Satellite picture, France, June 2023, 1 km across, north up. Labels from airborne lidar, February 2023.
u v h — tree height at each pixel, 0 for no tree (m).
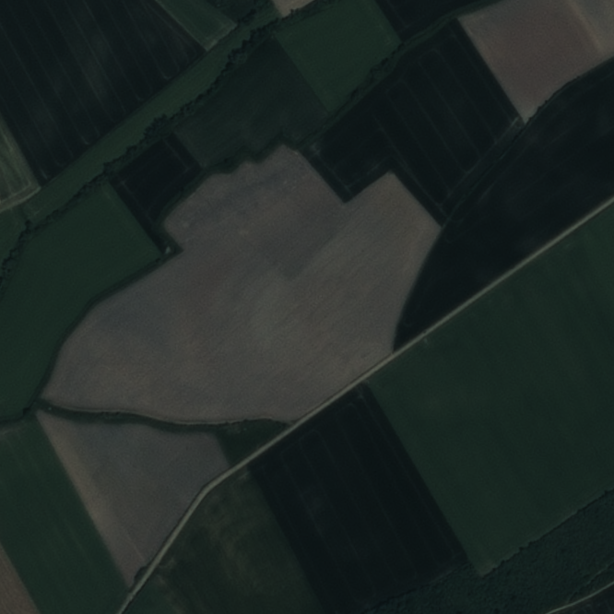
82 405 0
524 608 8
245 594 0
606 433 0
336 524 0
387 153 0
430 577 0
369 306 0
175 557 0
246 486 0
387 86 0
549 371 0
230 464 0
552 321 0
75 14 0
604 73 0
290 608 0
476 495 0
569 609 0
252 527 0
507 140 0
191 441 0
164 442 0
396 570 0
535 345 0
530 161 0
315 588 0
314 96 0
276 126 0
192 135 0
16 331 0
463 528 0
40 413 0
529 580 5
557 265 0
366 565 0
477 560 0
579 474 0
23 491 0
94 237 0
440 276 0
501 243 0
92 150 0
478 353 0
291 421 0
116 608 0
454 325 0
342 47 0
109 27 0
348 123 0
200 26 0
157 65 0
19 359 0
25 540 0
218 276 0
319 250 0
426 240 0
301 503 0
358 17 0
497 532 0
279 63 0
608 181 0
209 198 0
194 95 0
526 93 0
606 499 7
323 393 0
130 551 0
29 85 0
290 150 0
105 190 0
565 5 0
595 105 0
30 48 0
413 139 0
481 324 0
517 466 0
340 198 0
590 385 0
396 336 0
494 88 0
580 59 0
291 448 0
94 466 0
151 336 0
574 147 0
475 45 0
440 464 0
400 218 0
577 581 6
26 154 0
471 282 0
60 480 0
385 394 0
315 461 0
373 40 0
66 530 0
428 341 0
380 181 0
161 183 0
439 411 0
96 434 0
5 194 0
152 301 0
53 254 0
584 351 0
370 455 0
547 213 0
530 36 0
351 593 0
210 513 0
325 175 0
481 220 0
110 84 0
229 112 0
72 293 0
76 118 0
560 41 0
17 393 0
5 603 0
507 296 0
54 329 0
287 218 0
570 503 0
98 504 0
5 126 0
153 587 0
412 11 0
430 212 0
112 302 0
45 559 0
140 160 0
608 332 0
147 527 0
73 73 0
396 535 0
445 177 0
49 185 0
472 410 0
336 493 0
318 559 0
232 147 0
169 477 0
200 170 0
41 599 0
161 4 0
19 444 0
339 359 0
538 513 0
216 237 0
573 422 0
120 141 0
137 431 0
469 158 0
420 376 0
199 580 0
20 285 0
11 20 0
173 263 0
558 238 0
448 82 0
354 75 0
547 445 0
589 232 0
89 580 0
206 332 0
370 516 0
